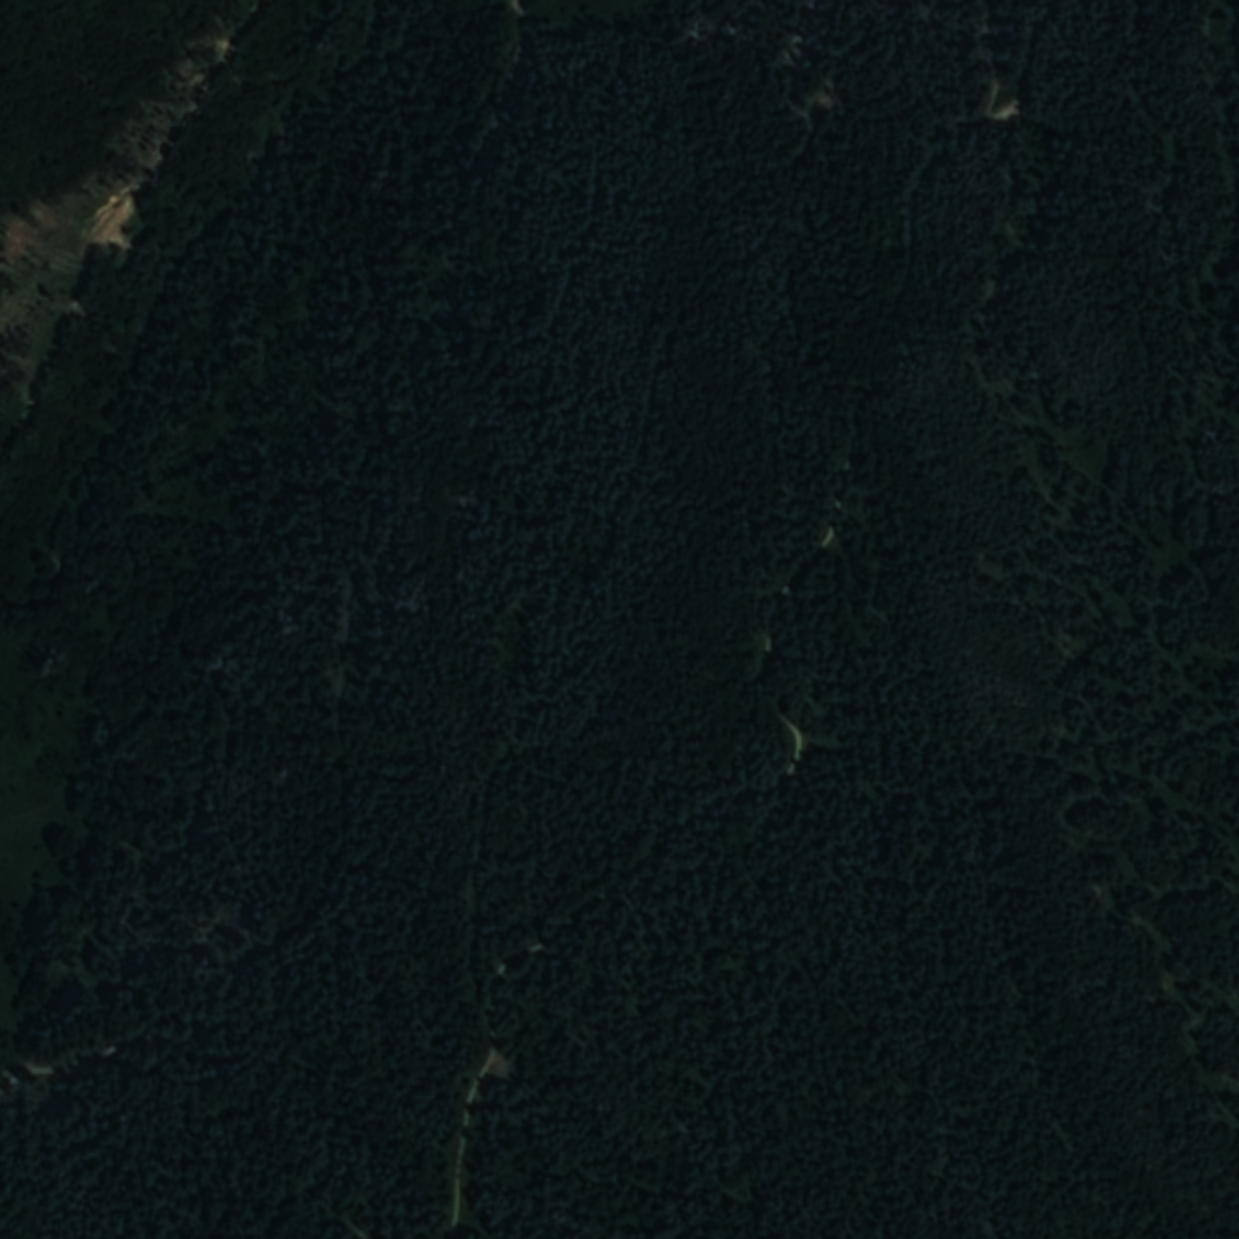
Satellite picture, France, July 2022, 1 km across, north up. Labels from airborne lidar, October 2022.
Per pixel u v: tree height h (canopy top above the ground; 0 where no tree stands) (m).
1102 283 21
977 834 11
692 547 17
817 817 7
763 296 30
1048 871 16
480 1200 23
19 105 30
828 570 20
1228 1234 16
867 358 18
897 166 14
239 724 22
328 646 30
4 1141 18
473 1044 22
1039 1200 21
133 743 32
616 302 30
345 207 16
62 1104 10
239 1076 36
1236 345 22
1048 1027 22
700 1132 31
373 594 23
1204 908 21
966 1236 20
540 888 20
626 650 21
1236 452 21
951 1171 22
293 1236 18
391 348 13
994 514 28
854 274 19
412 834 23
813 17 24
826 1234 14
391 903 25
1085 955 25
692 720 16
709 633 17
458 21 24
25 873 0
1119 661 30
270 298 7
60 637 24
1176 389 31
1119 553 32
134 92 33
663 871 24
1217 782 18
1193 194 20
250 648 32
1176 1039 19
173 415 22
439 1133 26
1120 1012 20
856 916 25
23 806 0
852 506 24
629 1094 20
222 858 28
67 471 12
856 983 25
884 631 14
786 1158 20
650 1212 12
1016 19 15
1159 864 23
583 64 29
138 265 26
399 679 30
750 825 28
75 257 0
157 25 16
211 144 29
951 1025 17
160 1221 24
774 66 21
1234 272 24
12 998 0
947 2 16
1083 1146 13
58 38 24
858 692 28
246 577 19
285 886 22
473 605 20
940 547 17
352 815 18
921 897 15
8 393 26
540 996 16
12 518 17
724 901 21
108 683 27
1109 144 23
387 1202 27
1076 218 25
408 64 24
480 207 31
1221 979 23
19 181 29
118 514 27
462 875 16
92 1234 18
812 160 19
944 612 14
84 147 25
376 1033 25
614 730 24
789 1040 28
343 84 27
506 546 32
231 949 20
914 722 23
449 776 20
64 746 0
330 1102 16
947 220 12
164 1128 29
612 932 24
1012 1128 9
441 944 24
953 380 13
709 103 18
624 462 26
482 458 21
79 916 30
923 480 18
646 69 24
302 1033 18
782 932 24
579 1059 23
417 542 25
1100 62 25
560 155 32
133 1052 26
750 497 21
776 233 26
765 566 18
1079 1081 20
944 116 24
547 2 0
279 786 18
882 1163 17
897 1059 29
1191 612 26
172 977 33
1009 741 19
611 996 27
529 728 27
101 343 31
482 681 17
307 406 7
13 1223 22
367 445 18
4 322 0
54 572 11
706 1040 20
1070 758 30
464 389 23
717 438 16
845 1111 11
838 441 22
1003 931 12
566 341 32
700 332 18
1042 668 23
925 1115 26
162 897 32
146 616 8
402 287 34
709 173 29
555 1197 13
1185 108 16
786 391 25
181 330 25
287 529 25
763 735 29
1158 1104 10
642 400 29
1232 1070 23
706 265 20
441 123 22
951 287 16
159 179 29
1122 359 20
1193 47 14
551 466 27
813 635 22
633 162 30
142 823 27
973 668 16
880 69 22
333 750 24
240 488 17
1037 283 13
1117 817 18
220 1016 30
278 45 23
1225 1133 21
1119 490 32
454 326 7
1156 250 20
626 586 32
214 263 22
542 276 11
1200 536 29
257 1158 24
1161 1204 20
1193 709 24
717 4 17
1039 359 20
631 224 28
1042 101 23
